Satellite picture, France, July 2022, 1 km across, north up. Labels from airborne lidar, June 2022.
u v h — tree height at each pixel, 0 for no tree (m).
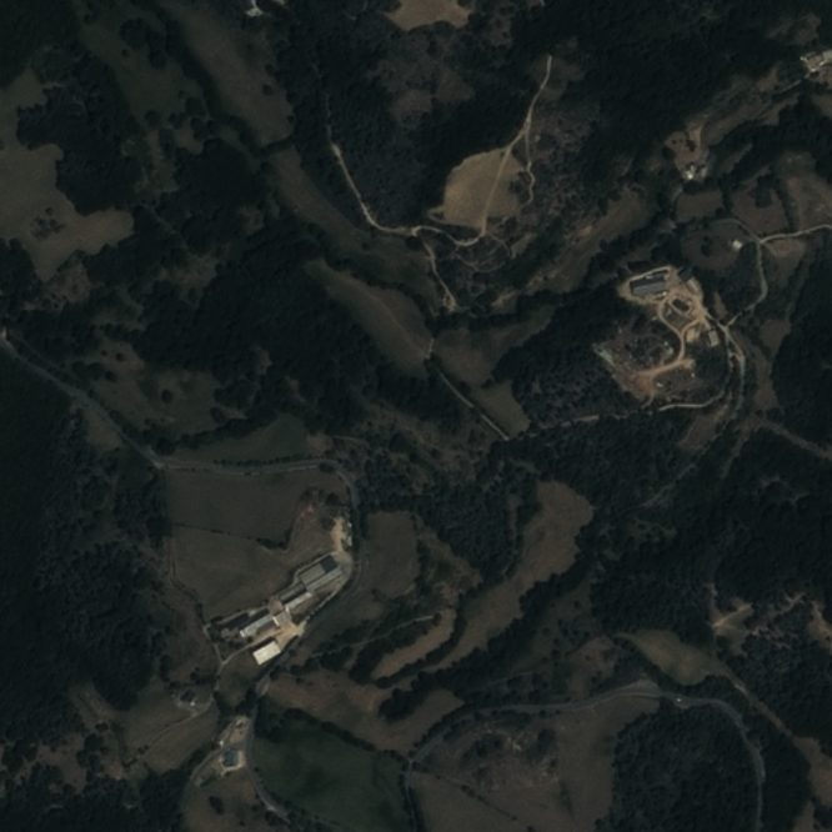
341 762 0
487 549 18
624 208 0
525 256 9
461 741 0
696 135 0
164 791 12
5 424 15
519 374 11
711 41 17
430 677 16
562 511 0
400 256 0
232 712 8
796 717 21
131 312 7
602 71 9
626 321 7
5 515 17
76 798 11
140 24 15
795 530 28
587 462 14
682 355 0
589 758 0
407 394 15
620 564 13
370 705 0
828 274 13
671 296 0
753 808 14
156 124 16
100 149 15
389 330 0
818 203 0
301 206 0
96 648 15
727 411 0
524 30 11
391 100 6
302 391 10
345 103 9
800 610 17
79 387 6
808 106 20
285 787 0
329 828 10
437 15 0
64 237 0
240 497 0
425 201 14
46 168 0
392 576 0
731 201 9
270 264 17
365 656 18
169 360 21
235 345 19
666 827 11
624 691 0
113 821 22
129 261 13
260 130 0
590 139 8
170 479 0
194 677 10
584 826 0
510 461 10
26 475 21
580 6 16
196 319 19
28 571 23
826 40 12
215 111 15
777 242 0
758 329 11
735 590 14
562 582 16
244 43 0
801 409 14
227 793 0
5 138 0
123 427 9
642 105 19
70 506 19
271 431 0
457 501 15
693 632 12
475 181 0
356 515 10
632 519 13
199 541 0
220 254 6
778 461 10
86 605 19
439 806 0
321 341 20
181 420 0
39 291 11
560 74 0
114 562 14
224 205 21
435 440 0
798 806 16
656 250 11
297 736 0
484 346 0
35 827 13
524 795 0
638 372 0
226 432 12
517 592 0
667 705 12
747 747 14
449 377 8
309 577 0
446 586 0
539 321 0
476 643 0
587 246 0
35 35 21
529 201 0
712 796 7
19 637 21
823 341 13
